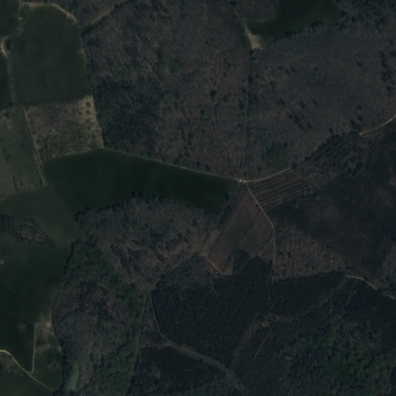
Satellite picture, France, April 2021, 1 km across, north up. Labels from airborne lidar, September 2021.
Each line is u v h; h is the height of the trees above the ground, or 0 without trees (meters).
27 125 0
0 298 0
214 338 16
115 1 20
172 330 16
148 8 21
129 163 0
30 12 0
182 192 0
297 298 18
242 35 20
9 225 19
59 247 0
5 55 0
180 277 17
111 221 18
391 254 7
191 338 19
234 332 18
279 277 13
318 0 0
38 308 0
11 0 0
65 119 0
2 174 0
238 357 11
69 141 0
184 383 8
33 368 0
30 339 0
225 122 14
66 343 14
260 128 15
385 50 12
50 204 0
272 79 18
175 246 25
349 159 10
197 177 0
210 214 12
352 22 11
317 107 24
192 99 14
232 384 19
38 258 0
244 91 8
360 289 9
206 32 13
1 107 0
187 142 22
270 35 0
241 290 19
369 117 12
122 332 17
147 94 19
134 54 25
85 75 0
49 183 0
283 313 16
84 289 14
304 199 14
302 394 15
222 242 0
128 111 24
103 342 11
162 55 27
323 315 8
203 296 19
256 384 6
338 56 18
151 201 16
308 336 7
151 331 12
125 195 0
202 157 7
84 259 16
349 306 7
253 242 0
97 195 0
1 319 0
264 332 10
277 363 7
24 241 12
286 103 14
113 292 14
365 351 8
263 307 19
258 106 11
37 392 0
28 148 0
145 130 26
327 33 16
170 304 18
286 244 10
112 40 19
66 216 0
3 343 0
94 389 23
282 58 16
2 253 0
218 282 12
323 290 17
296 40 16
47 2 15
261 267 13
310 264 7
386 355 19
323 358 20
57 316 7
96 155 0
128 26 21
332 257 7
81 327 12
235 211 9
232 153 8
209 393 21
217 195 0
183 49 20
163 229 10
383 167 6
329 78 15
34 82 0
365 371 15
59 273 0
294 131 15
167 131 17
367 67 12
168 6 22
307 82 16
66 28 0
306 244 6
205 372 8
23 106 0
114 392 19
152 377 18
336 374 11
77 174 0
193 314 19
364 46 15
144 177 0
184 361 8
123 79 26
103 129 16
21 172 0
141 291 16
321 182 9
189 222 14
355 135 17
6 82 0
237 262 12
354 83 14
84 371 16
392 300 6
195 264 12
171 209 7
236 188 10
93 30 13
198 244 12
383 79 16
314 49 17
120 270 16
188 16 20
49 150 0
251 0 13
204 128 9
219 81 6
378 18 31
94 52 19
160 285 15
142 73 22
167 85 15
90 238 7
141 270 16
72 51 0
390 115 9
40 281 0
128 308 15
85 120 0
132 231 19
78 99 0
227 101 17
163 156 13
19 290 0
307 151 10
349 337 19
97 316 12
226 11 7
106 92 23
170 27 23
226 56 8
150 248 19
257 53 11
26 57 0
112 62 19
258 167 12
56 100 0
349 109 17
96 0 22
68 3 15
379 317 8
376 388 22
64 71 0
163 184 0
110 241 21
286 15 0
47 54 0
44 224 0
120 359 24
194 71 14
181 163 20
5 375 0
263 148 18
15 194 0
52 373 0
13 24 0
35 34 0
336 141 19
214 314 19
